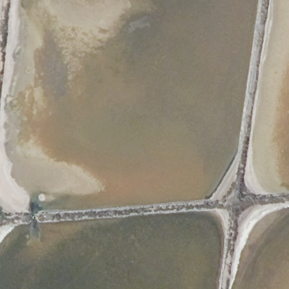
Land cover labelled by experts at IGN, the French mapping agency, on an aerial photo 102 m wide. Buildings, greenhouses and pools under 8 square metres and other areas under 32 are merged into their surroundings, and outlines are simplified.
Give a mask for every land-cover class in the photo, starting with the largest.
<instances>
[{"label":"water","instance_id":"1","mask_svg":"<svg viewBox=\"0 0 289 289\"><path fill-rule=\"evenodd\" d=\"M150 12L139 11L126 17L119 33L107 38L104 45L91 47V51L86 52L84 61L80 63L82 68L76 71L75 77L68 79V65L64 63L62 47L54 41L58 17L51 16L43 0H19V6L26 10L28 19L43 36L42 47L34 51V86L42 88L43 103L52 107V115L46 117L38 135L42 151L55 161H64L69 165L81 167L105 187L104 191L90 194L61 193L52 201L30 202L29 211L26 212L27 225H21L23 220H15L12 224L0 227V289H218L224 249V228L217 214L182 212L129 218L75 220L58 222L37 224L35 213L40 210L124 207L211 198L233 165L237 154L259 0H150ZM279 106L275 113L277 121L272 139L273 142H277L279 148L277 161L281 186L288 190H289V62L286 76L282 78ZM231 289H289V208L273 211L256 222L240 253Z\"/></svg>","mask_w":289,"mask_h":289},{"label":"pervious surface","instance_id":"2","mask_svg":"<svg viewBox=\"0 0 289 289\"><path fill-rule=\"evenodd\" d=\"M7 3L11 5L6 69L0 103V207L3 212H26L29 211L30 202L52 201L61 193L90 194L104 191L105 187L81 167L69 165L64 161H55L42 151L38 135L46 117L52 115V107L43 103L42 88L34 86V51L42 47L43 36L28 19L26 10L19 6V0H0V45L5 8ZM51 16L58 17L54 41L62 47L64 63L68 65V79L75 77L76 71L82 68L80 63L84 61L86 52L91 51V47L104 45L107 38L119 33L126 17L139 11L150 12V0H43ZM263 0H259L237 154L233 165L211 198L124 207L40 210L35 213L37 224L58 222V219H52V214L108 211L107 216H82L75 217V220L129 218L182 212L217 214L224 228V249L218 289H231L240 253L256 222L273 211L289 208V201L255 205L240 213L234 255L227 251V210H176L177 205H195L219 200L228 191L231 183L236 181L255 80ZM289 62V0H270L249 135L245 185L249 192L262 195L277 196L286 194L288 190L281 186L277 161L279 148L277 142H273L272 139L277 121L275 113L279 106L282 78L286 76Z\"/></svg>","mask_w":289,"mask_h":289},{"label":"brushwood","instance_id":"3","mask_svg":"<svg viewBox=\"0 0 289 289\"><path fill-rule=\"evenodd\" d=\"M270 0H263L255 80L236 181L231 183L228 191L219 200L195 205H177L176 210H227V251L234 255L240 213L255 205L289 201V190H288L286 194L277 196L262 195L249 192L245 185L249 135ZM11 5L7 3L5 8L0 45V103L6 69ZM26 212H3L0 207V227L12 224L15 220H23L21 225H27ZM108 211L52 214V219H58V222L75 220V217L82 216H107Z\"/></svg>","mask_w":289,"mask_h":289}]
</instances>
